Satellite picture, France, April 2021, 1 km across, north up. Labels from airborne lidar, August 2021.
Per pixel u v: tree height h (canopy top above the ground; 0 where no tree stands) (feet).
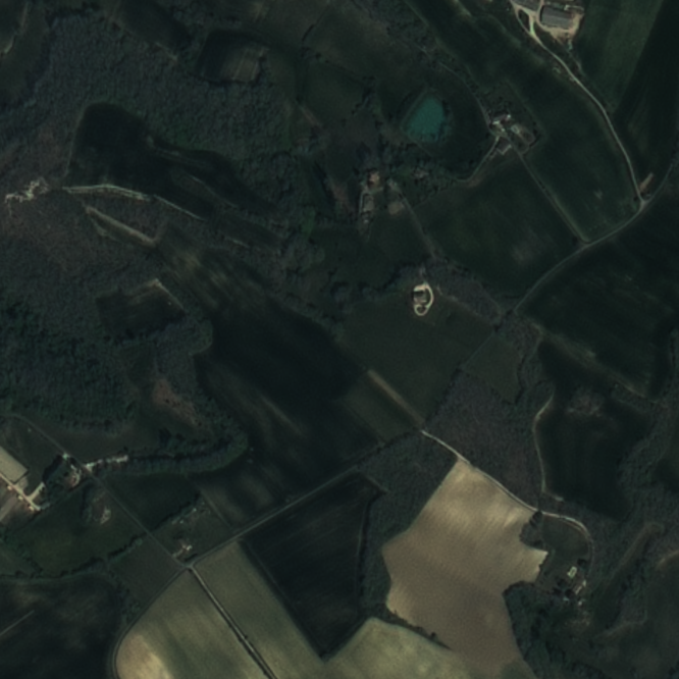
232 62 0
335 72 0
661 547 72
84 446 0
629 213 0
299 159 45
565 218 0
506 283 0
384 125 24
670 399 38
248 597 0
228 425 61
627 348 0
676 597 0
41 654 0
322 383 0
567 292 0
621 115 0
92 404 35
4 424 43
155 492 0
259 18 0
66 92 63
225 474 0
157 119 81
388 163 25
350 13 0
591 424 0
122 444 0
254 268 32
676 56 0
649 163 0
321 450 0
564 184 0
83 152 0
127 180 0
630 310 0
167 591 0
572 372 0
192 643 0
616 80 0
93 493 46
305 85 0
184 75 61
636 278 0
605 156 0
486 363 0
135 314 0
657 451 26
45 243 20
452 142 0
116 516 0
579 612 26
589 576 47
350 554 0
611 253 0
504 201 0
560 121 0
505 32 0
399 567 0
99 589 0
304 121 0
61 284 47
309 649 0
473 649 0
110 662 0
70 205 34
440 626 0
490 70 0
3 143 49
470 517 0
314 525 0
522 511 0
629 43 0
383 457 49
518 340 57
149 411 0
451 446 31
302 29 0
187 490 0
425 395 0
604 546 69
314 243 40
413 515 48
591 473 0
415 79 0
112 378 66
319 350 0
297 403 0
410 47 0
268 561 0
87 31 54
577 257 0
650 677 0
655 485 45
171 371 54
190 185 0
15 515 0
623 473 31
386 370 0
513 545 0
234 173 21
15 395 35
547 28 0
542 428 0
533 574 0
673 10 0
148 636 0
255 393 0
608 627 26
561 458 0
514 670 0
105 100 41
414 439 57
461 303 27
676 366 27
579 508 48
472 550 0
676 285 0
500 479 32
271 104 53
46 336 63
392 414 0
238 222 0
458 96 0
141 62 76
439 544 0
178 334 66
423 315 0
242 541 0
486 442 34
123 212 25
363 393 0
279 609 0
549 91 0
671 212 0
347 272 0
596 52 0
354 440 0
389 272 0
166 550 0
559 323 0
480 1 23
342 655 0
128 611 31
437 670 0
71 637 0
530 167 0
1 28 0
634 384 0
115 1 0
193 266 0
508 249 0
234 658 0
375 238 0
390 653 0
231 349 0
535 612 53
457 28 0
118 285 69
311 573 0
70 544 0
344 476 0
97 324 35
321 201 0
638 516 37
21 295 67
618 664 0
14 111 41
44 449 0
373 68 0
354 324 0
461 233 0
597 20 0
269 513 0
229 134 63
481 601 0
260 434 0
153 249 0
